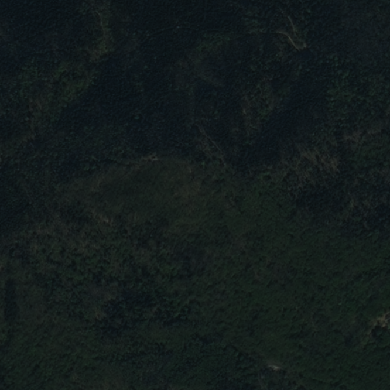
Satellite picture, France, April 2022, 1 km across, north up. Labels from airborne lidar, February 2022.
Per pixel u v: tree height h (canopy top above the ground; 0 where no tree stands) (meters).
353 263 23
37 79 21
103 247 21
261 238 16
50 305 8
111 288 8
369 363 27
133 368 24
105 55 21
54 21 27
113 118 31
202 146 20
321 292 24
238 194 16
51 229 16
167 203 18
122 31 27
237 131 18
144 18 22
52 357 14
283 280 12
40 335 19
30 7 28
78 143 20
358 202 23
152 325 26
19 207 26
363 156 27
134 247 17
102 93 37
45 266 12
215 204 20
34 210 26
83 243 21
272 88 19
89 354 19
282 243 21
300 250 18
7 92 22
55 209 25
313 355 24
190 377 21
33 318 15
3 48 18
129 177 17
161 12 25
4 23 24
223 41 21
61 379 17
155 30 26
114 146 21
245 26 24
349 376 20
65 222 22
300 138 20
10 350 23
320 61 26
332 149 23
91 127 25
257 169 18
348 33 29
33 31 31
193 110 18
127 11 23
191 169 16
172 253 17
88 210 19
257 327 24
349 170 33
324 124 20
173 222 16
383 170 26
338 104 22
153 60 20
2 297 21
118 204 21
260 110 20
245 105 18
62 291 24
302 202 26
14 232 20
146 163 13
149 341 24
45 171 23
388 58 28
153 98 28
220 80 22
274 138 26
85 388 10
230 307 21
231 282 19
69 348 16
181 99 20
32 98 20
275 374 21
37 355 19
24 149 24
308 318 17
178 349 27
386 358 30
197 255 24
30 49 20
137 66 23
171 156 18
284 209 24
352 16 27
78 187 15
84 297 25
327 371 24
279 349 17
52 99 23
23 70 23
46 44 19
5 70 25
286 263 18
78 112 38
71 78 25
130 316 18
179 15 26
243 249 16
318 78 22
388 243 23
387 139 26
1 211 24
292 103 26
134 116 20
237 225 17
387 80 29
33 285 16
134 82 29
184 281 16
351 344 28
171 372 24
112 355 16
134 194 23
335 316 23
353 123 24
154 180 16
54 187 19
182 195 14
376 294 19
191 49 21
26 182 22
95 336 23
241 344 23
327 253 22
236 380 31
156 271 22
